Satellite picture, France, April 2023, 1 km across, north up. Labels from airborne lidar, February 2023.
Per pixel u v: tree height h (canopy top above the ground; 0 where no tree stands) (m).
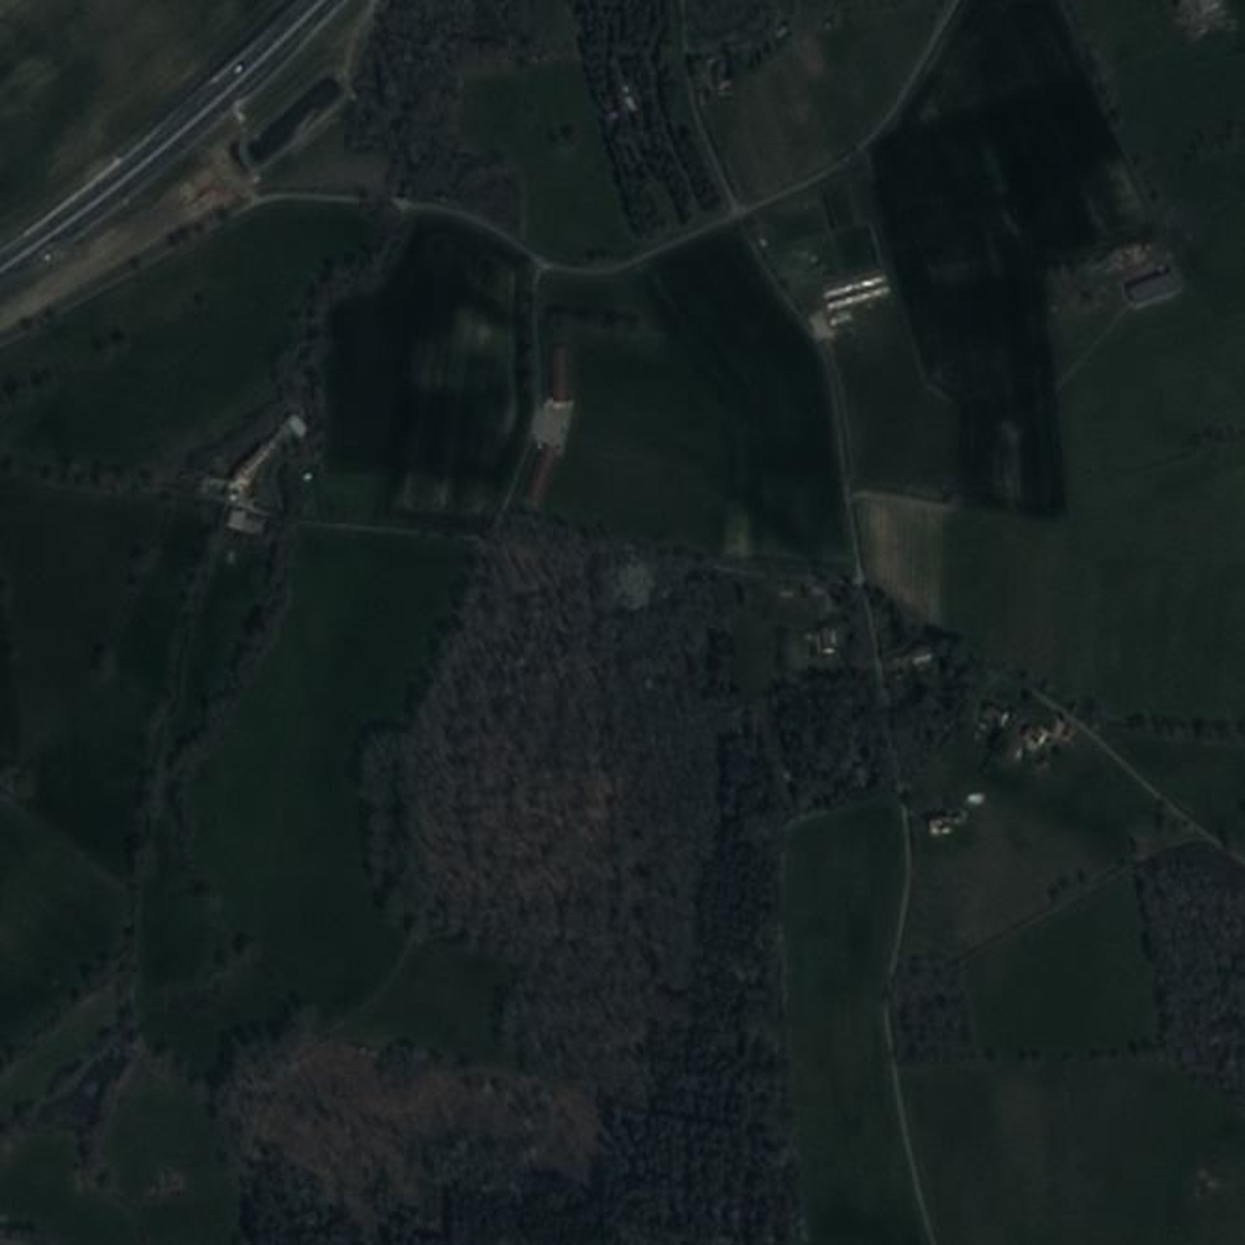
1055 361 0
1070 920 0
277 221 0
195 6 0
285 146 0
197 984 0
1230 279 0
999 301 0
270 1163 22
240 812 0
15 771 9
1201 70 0
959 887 0
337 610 0
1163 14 0
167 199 0
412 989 0
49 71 0
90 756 0
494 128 0
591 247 0
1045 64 0
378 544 0
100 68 0
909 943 0
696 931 12
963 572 0
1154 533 0
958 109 0
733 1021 13
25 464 0
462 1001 0
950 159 0
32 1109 10
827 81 0
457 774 7
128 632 0
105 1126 10
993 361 0
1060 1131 0
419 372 0
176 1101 0
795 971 0
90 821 0
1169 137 0
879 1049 0
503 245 0
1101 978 0
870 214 0
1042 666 0
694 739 18
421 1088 0
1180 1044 18
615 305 0
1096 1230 0
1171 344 0
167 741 0
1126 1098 0
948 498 8
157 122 0
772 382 0
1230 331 0
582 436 0
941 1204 0
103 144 0
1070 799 0
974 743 0
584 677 16
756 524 0
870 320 0
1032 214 0
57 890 0
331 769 0
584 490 0
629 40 12
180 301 0
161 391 0
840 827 0
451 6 9
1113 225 0
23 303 0
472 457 0
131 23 0
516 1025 19
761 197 0
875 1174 0
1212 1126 0
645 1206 22
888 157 0
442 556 0
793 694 17
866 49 0
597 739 16
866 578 0
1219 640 0
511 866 7
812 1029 0
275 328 0
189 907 0
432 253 0
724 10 18
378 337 0
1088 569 0
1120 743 0
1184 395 0
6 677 0
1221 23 0
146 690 0
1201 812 0
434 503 0
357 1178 0
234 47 0
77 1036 0
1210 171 0
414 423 0
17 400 20
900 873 0
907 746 14
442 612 0
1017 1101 0
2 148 0
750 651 0
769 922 7
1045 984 0
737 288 0
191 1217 0
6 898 0
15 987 0
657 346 0
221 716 14
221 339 0
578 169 0
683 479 0
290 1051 21
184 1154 0
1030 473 0
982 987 0
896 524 0
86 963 0
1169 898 18
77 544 0
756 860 15
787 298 13
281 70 0
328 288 18
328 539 0
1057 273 8
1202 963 19
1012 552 0
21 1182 0
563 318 15
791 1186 11
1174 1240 0
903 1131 0
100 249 0
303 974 0
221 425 0
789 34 7
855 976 0
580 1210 14
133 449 0
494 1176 12
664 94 15
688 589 7
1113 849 0
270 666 0
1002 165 0
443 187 19
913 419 0
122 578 0
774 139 0
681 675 17
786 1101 7
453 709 23
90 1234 0
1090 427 0
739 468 0
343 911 0
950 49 0
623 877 24
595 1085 20
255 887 0
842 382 0
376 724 0
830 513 0
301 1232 18
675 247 0
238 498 0
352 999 0
